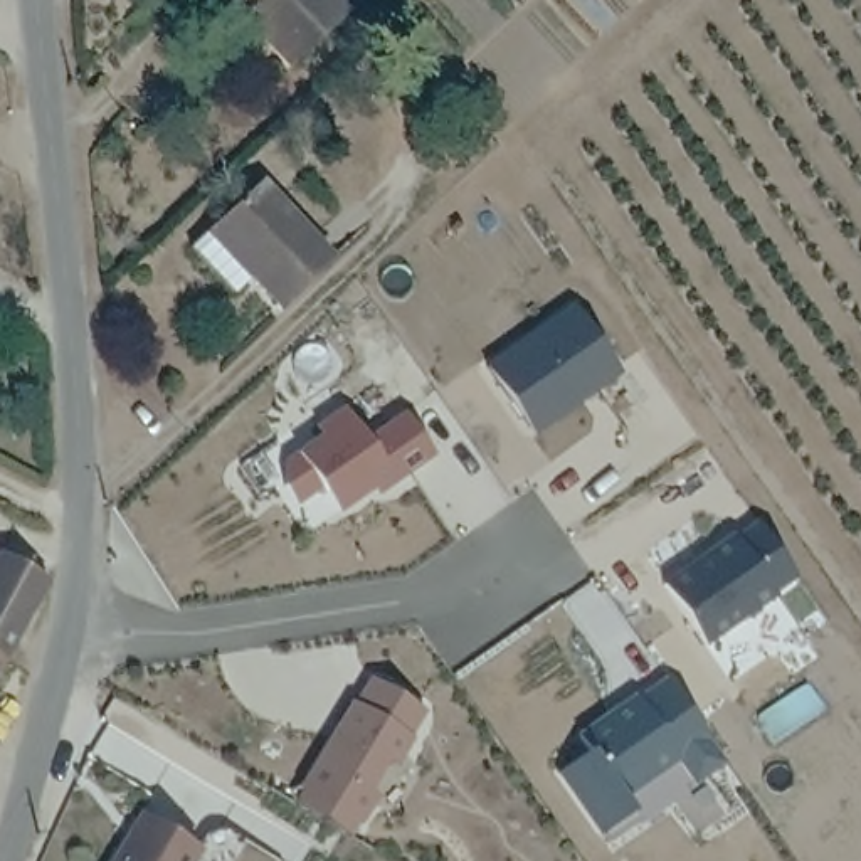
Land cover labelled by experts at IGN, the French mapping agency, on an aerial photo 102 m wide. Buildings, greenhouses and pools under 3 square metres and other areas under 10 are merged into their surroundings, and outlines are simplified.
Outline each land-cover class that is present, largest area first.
<instances>
[{"label":"herbaceous vegetation","instance_id":"1","mask_svg":"<svg viewBox=\"0 0 861 861\"><path fill-rule=\"evenodd\" d=\"M128 0H84L87 47L124 34ZM404 10V0H350L346 17L383 24L387 17ZM431 7L427 20L447 44L444 54L464 57V64H478L498 77L504 124L491 138L488 151L474 155L467 168H461L457 161H447L444 168H431L420 161V182L410 195L404 222L383 229L380 235L367 232L336 259L323 272H316L296 299L286 303L289 313L272 316L269 330L256 336L229 367L192 360L188 350L178 343L172 313L185 316L202 299H225L232 293V289L219 276L212 286L192 283L195 272L182 252V242L188 235L198 242L215 222L202 215L198 222H192L185 215L175 225V232L145 259L151 269L148 283L121 276L118 293L101 296L87 188V148L94 141L98 124L118 108L121 98H141L138 124L121 121L101 148L104 161L94 165L98 188L114 205V212H108L111 235H104V249L118 256L121 249L135 246L141 229L161 219V212L195 182L202 161H212L215 151L239 145L259 121L242 108L215 104L205 111L209 124L198 135V145L182 158V165L168 151L161 155L158 145L148 138V124L175 104V91L182 87V81L158 74L165 67V57L158 54L155 34L138 40L121 57V64L101 61L104 77L94 91L67 84L61 91L64 151L81 303L91 313V320L98 326H108L114 309H135L138 303H145L155 323V336L161 343V353L148 363L141 383H124L118 373H111L94 346L87 350V380L94 404V461L104 471V481L118 484L121 491L145 467H151L195 420H202L205 410L229 397L246 377H252L269 353L289 343L296 333H303L309 343L330 346L343 357V370L333 383V394H346L343 410L353 414L363 427L380 431L390 420H397L410 404L400 397L390 400L377 383L363 377V353L357 346L363 340L383 333L397 336L417 360V367L441 383H451L481 360L488 363L518 336L531 333L541 323L535 313L562 293H578L592 303L615 350V360L622 363L632 353H646L656 377L686 414L693 441H700L703 451L689 461H679L676 471L663 478V498H689L710 474L723 471V478L747 508H763L774 518L780 541L797 565L794 578L797 592H804L811 605L824 612V626L804 629V639H811L817 656L807 659V666L797 676H790L777 656L763 659L747 673L737 700L726 703L710 723L723 747V763L737 774L740 787L753 790V797L780 827L797 861H861V474L834 444L821 414L797 387L790 370L780 363L777 350L750 323L743 303H737V296L726 289L710 256L689 239V229L663 198L659 182L642 165L639 151L629 145L626 131L615 128L612 104L629 108L636 124L646 131L649 145L669 165V175L679 185V192L693 202L696 215H703L713 239L726 249L737 276L750 283L757 303L794 343L797 357L807 363L811 377L837 407L844 427L854 434L861 447V397L841 380L837 363L824 353L811 326L784 296L757 246L743 239L740 225L723 209V202L713 198L706 178L700 175V165L686 155L683 141L673 135L659 108L646 98L642 74L659 77V84L673 94L676 108L693 124V131L716 155L723 178L747 202L760 229L774 239L794 279L814 299L834 336L848 346L851 363L861 377V252L858 242L841 235L834 215L817 202L814 185L800 175L794 155L787 151V141L774 131L770 121L757 114L753 101L740 87V74L730 67V61L716 54V47L706 37L723 30L726 40L747 57L770 104L797 131L811 165L821 168L824 182L851 209V222L861 229V185L854 182L848 158L834 148L817 118L831 114L861 155V104L848 87H841L827 54L814 44V30H824L834 40L844 64L854 71V81L861 84V0H757L763 20L777 30V37L787 44L800 71L807 74L804 87H794L780 57L763 47L760 34L750 27L740 0H424ZM605 155L632 185V195H626L622 202L595 172V161ZM632 205H642L659 222L666 246L686 269L683 286H673L663 262L646 246L639 225L629 215ZM780 205H794L804 229L814 235L821 249L817 259H807L794 232L784 229ZM804 686L817 693L821 713L794 726L787 737L774 740L767 733L763 713ZM13 108L30 111V81L24 54L13 64H0V121L10 118ZM316 61L313 54H303L299 61H279V87L286 91L309 77V67ZM377 118L346 114L336 121L340 135L350 145L340 161L320 158L316 148H299L303 161L330 182V188L340 198V209L367 195L370 185H377L394 168V161L410 148L404 135V108L377 94ZM259 165L246 168L242 178L252 188L262 182L266 172L279 175L286 192L326 229L336 219V212L323 209L303 192V185L296 182V168L272 138L256 155ZM13 215L27 219L34 256L20 266L13 246L7 242V225ZM0 269L20 279L37 272L40 286H50L40 185L27 192L24 175L0 158ZM57 343H50L54 420V471L47 484L64 491V397L57 373ZM44 377L24 370L7 373L0 363V397H17L20 383H40ZM279 394L276 377L259 383L192 451H185L182 461L172 464L148 488L145 501H131L128 508H121L148 562L155 565L168 592L178 599L192 589L195 578L205 582L209 592H232L249 585H276L320 575H346L360 568L404 565L437 541V531L431 528L420 508L404 504L400 498L373 504L363 515H346L313 528L296 521L286 504L259 518V538L246 541L239 552L225 558L205 562V545L198 535L202 525L195 521V515L229 491L225 467L239 461L246 447L269 441L276 434L279 410L269 404V397ZM592 414L585 404L555 420L552 427H535V441L548 457H558L589 434ZM605 602H612L619 619L632 629L629 642L646 656L649 646L669 629V615L652 605L629 609L615 599V592L605 589ZM467 696L491 723L498 743L511 750L515 763L528 774L538 797L558 817V824L575 841V851L585 861H774L777 854L770 841L750 817L723 837H706V844H696L693 834L679 831L673 817H656V824L642 837H636L619 858L609 851V831L595 824V817L578 800L562 770L585 753L582 743L568 733L575 716L615 689L605 679L602 656L572 622L565 602L545 609L528 626L501 639L494 649H488L457 673ZM350 646L357 649L360 663L377 676L400 686L407 696H420L434 700V730L417 760L414 794L404 797L390 814H383L373 834H360L333 821L330 834L336 837V851L330 854V861H370L367 854L373 851L377 837L397 844H441L447 861H555L558 848L541 834L535 814L525 804V794L508 787L501 760L481 750L464 710L451 700L447 683H441V673L431 656L434 646L424 629L360 632ZM118 686L141 693L148 700L145 710L198 750L219 753L222 743H235L259 770L272 774L269 787H276L286 797H296V784H306L309 770L316 767L326 747L313 740V730L272 723L246 710L222 673V659H205L195 669L185 659L128 673L118 679ZM118 827L84 790L67 787L37 858V861H101ZM235 861H283L269 841L249 831L242 841V854Z\"/></svg>","mask_w":861,"mask_h":861},{"label":"impervious surface","instance_id":"2","mask_svg":"<svg viewBox=\"0 0 861 861\"><path fill-rule=\"evenodd\" d=\"M24 54L30 81V111L40 185L50 286L57 343V373L64 397V595L47 642L40 683L34 689L30 710L24 713L27 720L17 750L13 784L0 817V861H37V858L30 854V841L40 827L37 804L44 784L54 777L50 760L57 743L64 740L61 726L71 693L74 686H94L101 693V683L118 663H124L128 673L185 659L195 669L205 659H222V673L246 710L272 723L313 730V740L326 747L346 720L350 706L363 700L367 686L377 676L360 663L357 649L350 646L360 632L424 629L434 646L447 656L451 669L457 673L488 649H494L501 639L528 626L545 609L565 602L572 622L602 656L605 679L615 689L629 679L652 676L656 666H673L686 679L703 720L710 723L726 703L737 700L747 673L763 659L777 656L790 676H797L807 666V659L817 656L811 639H804V629L824 626V612L811 605L804 592H797L794 578L777 589L774 602H767L757 615L737 622L720 639H706L693 605L669 582H663V565L673 555H679L696 538H706L720 521L740 518L747 508L723 478V471L710 474L689 498H663L639 494L599 525H585L582 515L609 501V494L646 474L649 467H656L666 454L693 441L686 414L656 377L646 353H632L622 363L619 380L602 387L585 404L592 414L589 434L558 457H548L535 471V491H528L521 501L501 494L488 471L491 464L484 457V447L464 434L454 410L437 397L441 383L417 367V360L397 336L383 333L363 340L357 346L363 353V377L377 383L390 400L400 397L410 404L420 414V434H434V457L417 464L390 488L367 491L350 504H340L333 488L299 498L296 488L283 478L279 461L283 454L296 457L299 451H306L320 437L323 424L343 410L346 394H333V383L343 370V357L330 346L309 343L296 357L283 360L276 377L279 394L269 397V404L279 410L276 434L269 441L246 447L239 461L225 467L229 491L239 498L246 518H259L286 504L296 521L313 528L346 515H363L373 504L400 498L404 491L420 488L451 528V535L461 538L444 562H427V568L407 582L212 612H182L178 599L168 592L155 565L148 562L121 508V491L118 484L104 481V471L94 461V404L87 380V350L94 346L91 320V313L81 303L64 151L61 91L67 84L64 57L71 47V0H17ZM605 589L615 592V599L629 609L652 605L669 615V629L649 646L646 656L629 642L632 629L619 619L612 602H605ZM821 713L817 693L804 686L763 713L767 733L774 740L787 737L794 726ZM424 720L407 747L404 763H394L377 777L370 790L373 804L360 821V834H373L383 814H390L404 797L414 794L417 760L434 730V700L420 696ZM101 760L114 770L138 777L141 784H155L165 787V794L185 811L178 831H185L188 837H202L209 861H235L242 854V841L249 831L269 841L283 861H330V854L336 851V837L330 834L316 837L320 824L296 831L272 811H266L252 794L235 787V767H229L219 753L198 750L145 710L118 700L108 713V733L98 747ZM666 817H673L679 831L693 834L696 844H706V837H723L750 817L740 787L737 774L723 763L710 777L696 774L683 807L669 804ZM656 824V817L642 804H636V811L609 831V851L619 858L636 837H642Z\"/></svg>","mask_w":861,"mask_h":861},{"label":"building","instance_id":"3","mask_svg":"<svg viewBox=\"0 0 861 861\"><path fill-rule=\"evenodd\" d=\"M249 7L256 20H276V34L269 30L262 37V50L279 61H299L303 54H313L316 61L323 47L333 50V30L346 17L350 0H235ZM326 229L286 192L279 175L266 172L262 182L252 188L246 202H239L229 215L215 222L198 242V252L219 276L232 289H242L246 279L256 276L276 303H286L296 299L316 272H323L336 259L326 246ZM541 323L531 333L518 336L488 363L518 394L535 427H552L555 420L585 404L602 387L619 380L622 363L615 360V350L592 303L578 293H562L535 313ZM434 434H420V414L410 404L397 420H390L380 431L363 427L353 414L343 410L323 424L320 437L306 451H299L296 457L283 454L279 461L283 478L296 488L299 498L333 488L340 504H350L367 491L390 488L417 464L434 457ZM797 565L780 541L774 518L763 508H747L740 518L720 521L706 538H696L679 555H673L663 565V582H669L693 605L706 639H720L737 622L757 615L767 602H774L777 589L794 578ZM50 592V572L37 552L24 562L17 552H0V686H7L10 673L20 676V683H30V666L20 649V639L34 609ZM568 733L582 743L585 753L562 770L578 800L595 817V824L609 831L636 811V804H642L656 817H666L669 804L683 807L696 774L710 777L723 763V747L710 723L703 720L686 679L673 666H656L652 676L629 679L615 689L575 716ZM424 720L420 696H407L400 686L377 676L367 686L363 700L350 706L346 720L326 747L316 767L309 770L306 784H296V797L299 804H309L313 811L333 821L360 834V821L373 804L370 790L377 777L394 763H404L407 747ZM185 811L165 794V787L155 784L151 797L131 807L118 827L101 861H209L202 837H188L185 831H178Z\"/></svg>","mask_w":861,"mask_h":861},{"label":"deciduous trees","instance_id":"4","mask_svg":"<svg viewBox=\"0 0 861 861\"><path fill-rule=\"evenodd\" d=\"M269 30L276 34V20H256L249 7L235 0H128L124 34L138 40L155 34L158 54L165 57V67L158 74L182 81V87L175 91V104L148 124V138L158 145L161 155L168 151L182 165V158L198 145V135L209 124L205 111L215 104L242 108L259 121L286 91L279 87V61L262 50V37ZM431 7L424 0H404V10L387 17L383 24L346 17L333 30V50L340 54V61L323 77V84L313 87V94L330 104L333 118L316 121L303 111L293 114L289 124L272 138L296 168V182L303 185V192L323 209L336 212L340 209V198L330 188V182L303 161L299 148H316L320 158L340 161L350 145L340 135L336 121L346 114L377 118V94L404 108V135L410 148L420 161L431 168H444L447 161H457L461 168H467L474 155L488 151L491 138L504 124L498 77L478 64H464V57L444 54L447 44L427 20ZM750 27L760 34L763 47L780 57L794 87H804L807 74L800 71L787 44L777 37V30L763 20L757 0H740ZM716 47V54L730 61V67L740 74V87L753 101L757 114L770 121L774 131L787 141V151L794 155L800 175L814 185L817 202L834 215L841 235L858 242L861 252V229L851 222V209L824 182L821 168L811 165L797 131L770 104L747 57L726 40L723 30L706 37ZM814 44L827 54L841 87H848L861 104V84L854 81V71L844 64L834 40L824 30H814ZM646 98L659 108L673 135L683 141L686 155L700 165V175L706 178L713 198L723 202V209L740 225L743 239L757 246L784 296L811 326L824 353L837 363L841 380L861 397V377L851 363L848 346L834 336L814 299L794 279L774 239L760 229L747 202L723 178L716 155L693 131V124L676 108L673 94L659 84V77L642 74ZM615 128L626 131L629 145L639 151L642 165L659 182L663 198L689 229V239L710 256L726 289L737 296V303H743L750 323L777 350L780 363L790 370L797 387L821 414L834 444L861 474V447L854 434L844 427L837 407L811 377L807 363L797 357L794 343L757 303L750 283L737 276L726 249L713 239L703 215H696L693 202L679 192V185L669 175V165L649 145L646 131L636 124L629 108L612 104ZM834 148L848 158L854 182L861 185V155L831 114L817 118ZM259 165L256 155H242L232 165H225L212 185H202L195 205L185 215L192 222H198L202 215L215 222L229 215L239 202H246L252 188L242 178L246 168ZM595 172L622 202L626 195H632V185L605 155L595 161ZM629 215L639 225L646 246L663 262L673 286H683L686 269L666 246L659 222L642 205H632ZM784 229L794 232L807 259H817L821 249L814 235L804 229L794 205H780ZM272 316L259 303V296H249L235 309L232 293L225 299H202L185 316L172 313L178 343L188 350L192 360L229 367L256 336L269 330ZM94 346L111 373H118L124 383H141L148 363L161 353V343L155 336V323L145 303H138L135 309H114L108 326H98L91 320ZM0 363L7 373L24 370L44 377L40 383H20L17 397H0V427L34 434L54 420L50 343L27 309L20 316H10L7 309H0Z\"/></svg>","mask_w":861,"mask_h":861},{"label":"brushwood","instance_id":"5","mask_svg":"<svg viewBox=\"0 0 861 861\"><path fill-rule=\"evenodd\" d=\"M138 40L124 34L87 47L84 0H71V47L64 57L67 84L94 91L104 77L101 61L121 64V57ZM340 61V54L333 50L323 47L316 61L309 67V77L286 91L259 121L239 145L215 151L212 161H202L195 182L161 212V219L141 229L135 246L121 249L118 256L104 249V235H111L108 212H114V205L98 188L94 165L104 161L101 148L121 121L138 124L141 98H121L118 108L98 124L94 141L87 148V188L101 296L118 293L121 276L148 283L151 269L145 259L175 232V225L195 205L202 185H212L225 165H232L242 155H256L272 138L289 124L293 114L303 111L316 121L333 118L330 104L313 94V87L323 84V77ZM7 242L13 246L20 266L34 256L27 219L13 215L7 225ZM182 252L195 272L192 283L212 286L219 276L198 252V242L188 235L182 242ZM309 343L303 333H296L289 343L269 353L252 377H246L229 397L205 410L202 420H195L151 467H145L121 491V508H128L131 501H145L148 488L172 464L182 461L185 451H192L259 383L276 377L283 360L296 357ZM0 467L40 488L47 484L54 471V420L34 434L0 427ZM703 451L700 441H693L666 454L656 467H649L646 474L609 494V501L582 515L585 525H599L639 494L663 498V478L676 471L679 461H689ZM404 504L420 508L431 528L437 531V541L404 565L360 568L346 575H320L276 585H249L232 592H209L205 582L195 578L192 589L178 599L182 612H212L407 582L427 568V562H444L461 538L451 535V528L420 488L404 491L400 498ZM0 515L20 518L34 531H50V521L47 515L0 494ZM431 656L441 673V683H447L451 700L464 710L481 750L501 760L508 787L525 794V804L535 814L541 834L558 848L555 861H585L575 851V841L558 824V817L538 797L528 774L515 763L511 750L498 743L491 723L467 696L457 673L451 669L447 656L434 646ZM128 673L124 663H118L101 683V693L98 713H108L118 700L145 710L148 700L141 693L118 686V679ZM229 767H235V787L252 794L266 811H272L296 831L320 824L316 837L330 834L333 821L313 811L309 804H299L296 797H286L276 787H269L272 774L259 770L235 743H222L219 753ZM94 780L108 794H121L131 807L151 797L155 784H141L138 777L114 770L101 760L94 763ZM750 817L770 841L777 854L774 861H797L780 827L753 797V790L740 787ZM370 861H447L441 844H397L377 837L373 851L367 854Z\"/></svg>","mask_w":861,"mask_h":861},{"label":"pervious surface","instance_id":"6","mask_svg":"<svg viewBox=\"0 0 861 861\"><path fill-rule=\"evenodd\" d=\"M24 54L17 0H0V64H13ZM0 158L24 175L27 192L40 185L30 111L13 108L10 118L0 121ZM420 182V161L410 148L394 161V168L377 185H370L367 195L340 209L336 212V219L326 229V246L336 259L367 232L380 235L383 229L404 222L410 195ZM0 309H7L10 316H20L27 309L50 343H57L50 286H40L37 272L20 279L0 269ZM249 296H259V303L272 316L289 313L286 303H276L256 276L246 279L242 289H232V293L235 309ZM437 397L454 410L464 434L484 447V457L491 464L488 471L501 494L521 501L528 491H535V471L548 457L535 441V427L518 394L488 363L481 360L451 383H441ZM0 494L47 515L50 521V531H34L20 518L0 515V552H17L24 562L37 552L50 572V592L34 609L20 639V649L30 666V683H20V676L10 673L7 686H0V817L13 784L17 750L27 720L24 713L30 710L34 689L40 683L47 642L64 595V491L47 484L40 488L0 467ZM101 693L94 686H74L71 693L61 726L64 740L57 743L50 760L54 777L44 784L37 804L40 827L30 841V854L37 858L67 787L84 790L118 827L131 807L121 794H108L94 780V763L101 760L98 747L108 733V713H98Z\"/></svg>","mask_w":861,"mask_h":861},{"label":"agricultural land","instance_id":"7","mask_svg":"<svg viewBox=\"0 0 861 861\"><path fill-rule=\"evenodd\" d=\"M195 521L202 525L198 535L205 545V562L225 558L239 552L246 541L259 538V518H246L239 498L229 491L195 515Z\"/></svg>","mask_w":861,"mask_h":861}]
</instances>
